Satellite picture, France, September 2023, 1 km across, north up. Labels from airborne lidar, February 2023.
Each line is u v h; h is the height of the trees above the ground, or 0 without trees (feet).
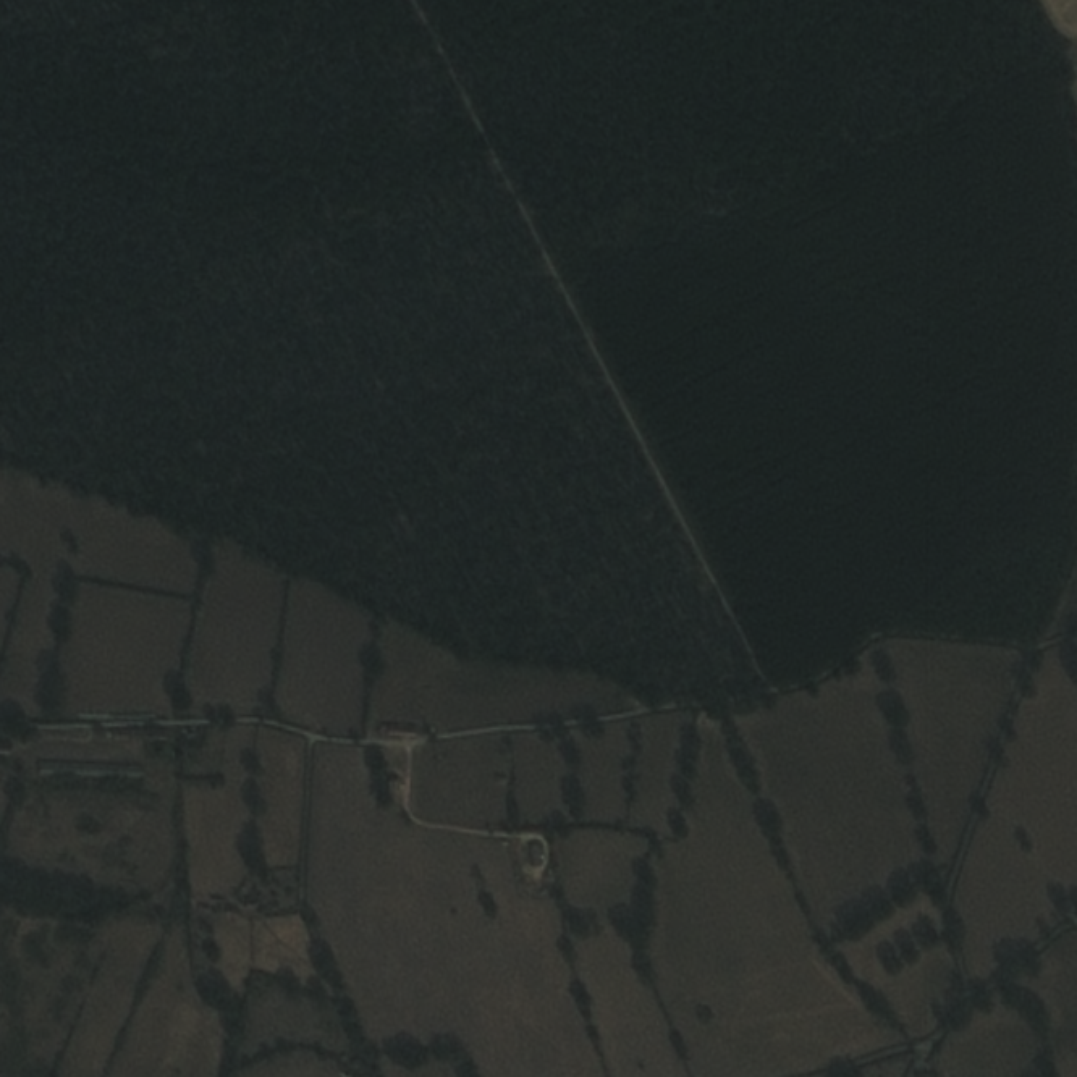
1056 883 0
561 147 104
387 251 30
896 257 31
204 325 123
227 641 0
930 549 40
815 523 31
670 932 0
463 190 91
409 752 0
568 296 0
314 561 84
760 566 37
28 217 111
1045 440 50
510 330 125
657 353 26
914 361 41
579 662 78
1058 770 0
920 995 0
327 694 0
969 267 48
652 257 27
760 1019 0
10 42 64
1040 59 41
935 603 61
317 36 77
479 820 0
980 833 0
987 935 0
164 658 0
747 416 34
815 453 20
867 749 0
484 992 0
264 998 0
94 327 109
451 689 0
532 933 0
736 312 28
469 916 0
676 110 94
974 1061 0
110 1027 0
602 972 0
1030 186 38
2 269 116
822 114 110
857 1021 0
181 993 0
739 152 107
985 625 59
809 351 29
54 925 0
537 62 83
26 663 0
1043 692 0
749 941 0
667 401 23
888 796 0
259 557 66
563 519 118
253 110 94
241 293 118
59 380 110
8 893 55
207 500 91
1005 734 40
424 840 0
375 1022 0
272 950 0
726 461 21
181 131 99
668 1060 0
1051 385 46
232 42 76
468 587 105
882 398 37
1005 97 40
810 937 0
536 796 0
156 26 31
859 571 44
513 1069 0
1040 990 0
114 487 78
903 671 0
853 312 20
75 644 0
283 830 0
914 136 23
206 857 0
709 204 40
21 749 0
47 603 0
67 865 0
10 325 124
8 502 0
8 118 107
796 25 104
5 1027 0
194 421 112
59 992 0
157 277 119
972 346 33
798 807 0
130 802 0
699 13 108
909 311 31
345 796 0
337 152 93
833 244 25
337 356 120
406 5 97
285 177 102
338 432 113
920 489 33
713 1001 0
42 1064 0
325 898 0
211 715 42
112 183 92
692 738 47
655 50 93
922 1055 0
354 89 84
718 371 19
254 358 119
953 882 0
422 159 81
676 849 0
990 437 45
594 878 0
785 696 0
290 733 0
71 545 58
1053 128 45
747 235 26
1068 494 47
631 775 47
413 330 127
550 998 0
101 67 71
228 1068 43
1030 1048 0
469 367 114
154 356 116
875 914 55
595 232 86
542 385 118
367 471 118
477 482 123
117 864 0
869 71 92
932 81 98
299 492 111
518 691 0
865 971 0
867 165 31
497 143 45
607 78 94
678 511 0
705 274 24
